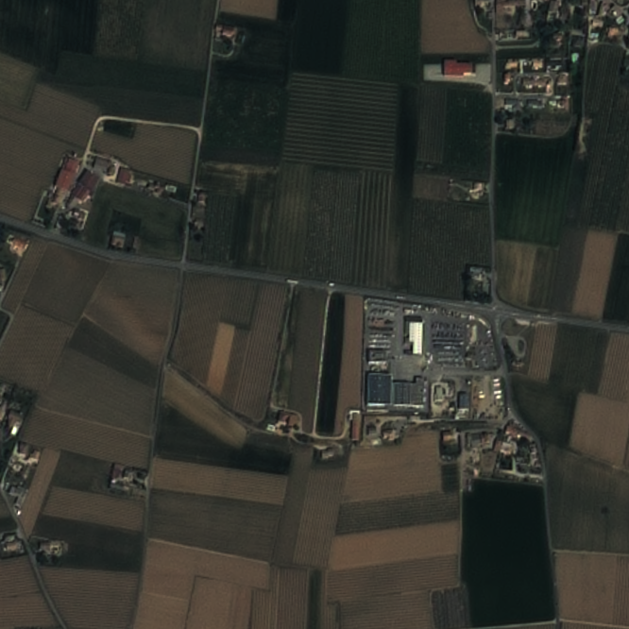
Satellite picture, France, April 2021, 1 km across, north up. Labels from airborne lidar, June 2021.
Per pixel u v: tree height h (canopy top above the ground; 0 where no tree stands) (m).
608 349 0
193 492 0
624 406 0
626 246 0
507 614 0
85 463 0
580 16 12
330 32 0
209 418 0
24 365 0
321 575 0
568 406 0
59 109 0
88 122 0
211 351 0
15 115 0
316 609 0
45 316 0
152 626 0
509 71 0
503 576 0
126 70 0
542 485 0
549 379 0
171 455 0
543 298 0
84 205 0
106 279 0
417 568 0
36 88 0
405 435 0
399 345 0
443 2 0
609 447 0
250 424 0
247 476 0
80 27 0
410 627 0
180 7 0
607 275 0
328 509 0
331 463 0
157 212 0
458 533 0
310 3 0
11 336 0
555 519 0
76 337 0
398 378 0
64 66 0
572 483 0
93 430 0
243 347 0
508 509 0
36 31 0
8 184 0
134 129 0
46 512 0
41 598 0
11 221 0
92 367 0
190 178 0
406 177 0
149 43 0
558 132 0
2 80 0
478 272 0
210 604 0
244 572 0
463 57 0
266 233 0
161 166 0
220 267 0
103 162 0
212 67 0
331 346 0
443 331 0
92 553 0
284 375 0
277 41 0
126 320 0
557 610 0
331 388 0
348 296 0
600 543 0
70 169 0
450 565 0
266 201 0
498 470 0
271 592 0
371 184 0
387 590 0
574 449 0
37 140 0
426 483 0
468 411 0
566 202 0
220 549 0
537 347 0
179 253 0
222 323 0
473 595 0
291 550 0
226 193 0
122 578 0
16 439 7
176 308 0
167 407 0
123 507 0
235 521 0
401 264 0
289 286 0
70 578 0
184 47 0
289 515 0
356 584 0
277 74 0
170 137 0
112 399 0
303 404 0
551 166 0
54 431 0
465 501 0
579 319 0
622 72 9
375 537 0
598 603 0
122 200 0
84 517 0
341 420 0
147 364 0
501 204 0
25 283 0
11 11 0
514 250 0
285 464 0
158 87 0
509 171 0
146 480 0
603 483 0
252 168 0
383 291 0
